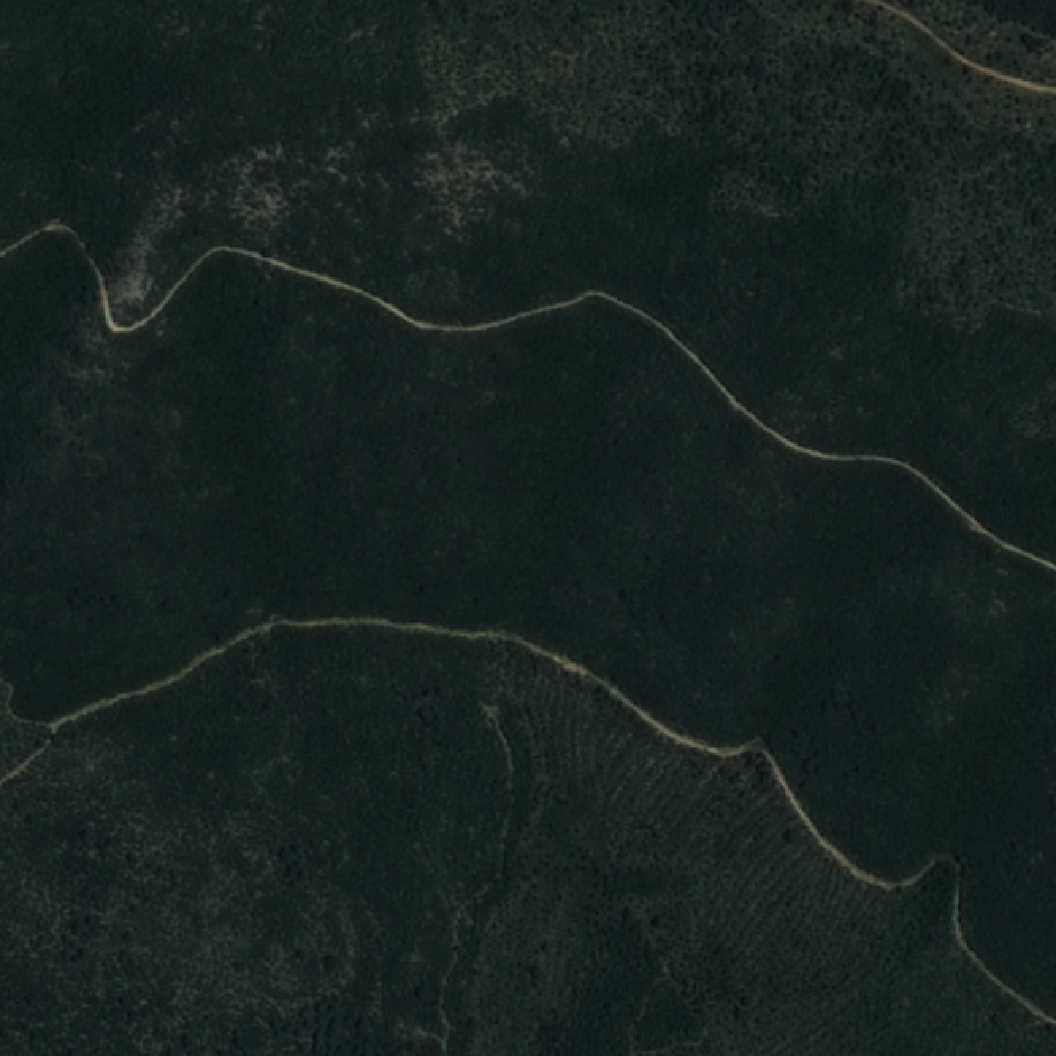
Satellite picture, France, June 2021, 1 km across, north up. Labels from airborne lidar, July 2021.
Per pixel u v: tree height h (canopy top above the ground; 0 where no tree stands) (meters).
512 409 6
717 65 10
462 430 6
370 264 7
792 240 7
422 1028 6
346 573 6
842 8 10
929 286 7
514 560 8
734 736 6
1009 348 6
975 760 12
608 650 6
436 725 12
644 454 6
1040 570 6
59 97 8
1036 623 7
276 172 6
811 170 8
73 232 8
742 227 6
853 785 5
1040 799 6
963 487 6
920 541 5
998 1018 13
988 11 8
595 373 6
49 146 9
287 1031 9
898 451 5
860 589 6
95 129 7
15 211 6
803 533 6
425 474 6
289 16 6
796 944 7
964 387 6
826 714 11
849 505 14
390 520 5
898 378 6
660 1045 7
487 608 6
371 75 6
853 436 5
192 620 6
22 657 8
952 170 7
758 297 5
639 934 8
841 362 6
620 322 6
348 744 6
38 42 7
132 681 6
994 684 6
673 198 8
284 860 14
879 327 5
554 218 6
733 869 6
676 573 6
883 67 10
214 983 5
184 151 6
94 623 10
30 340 7
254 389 7
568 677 7
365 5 9
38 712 6
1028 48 11
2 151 6
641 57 9
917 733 6
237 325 9
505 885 7
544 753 7
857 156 6
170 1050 9
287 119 6
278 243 6
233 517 6
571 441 7
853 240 6
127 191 6
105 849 13
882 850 6
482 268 6
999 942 6
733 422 6
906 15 0
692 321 7
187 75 6
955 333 6
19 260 8
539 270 6
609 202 7
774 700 10
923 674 6
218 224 5
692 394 6
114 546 5
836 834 6
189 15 6
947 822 11
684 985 8
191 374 7
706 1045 7
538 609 7
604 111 7
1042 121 8
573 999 6
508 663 7
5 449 6
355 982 7
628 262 5
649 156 6
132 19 6
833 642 8
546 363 6
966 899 6
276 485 6
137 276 0
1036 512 6
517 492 6
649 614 6
